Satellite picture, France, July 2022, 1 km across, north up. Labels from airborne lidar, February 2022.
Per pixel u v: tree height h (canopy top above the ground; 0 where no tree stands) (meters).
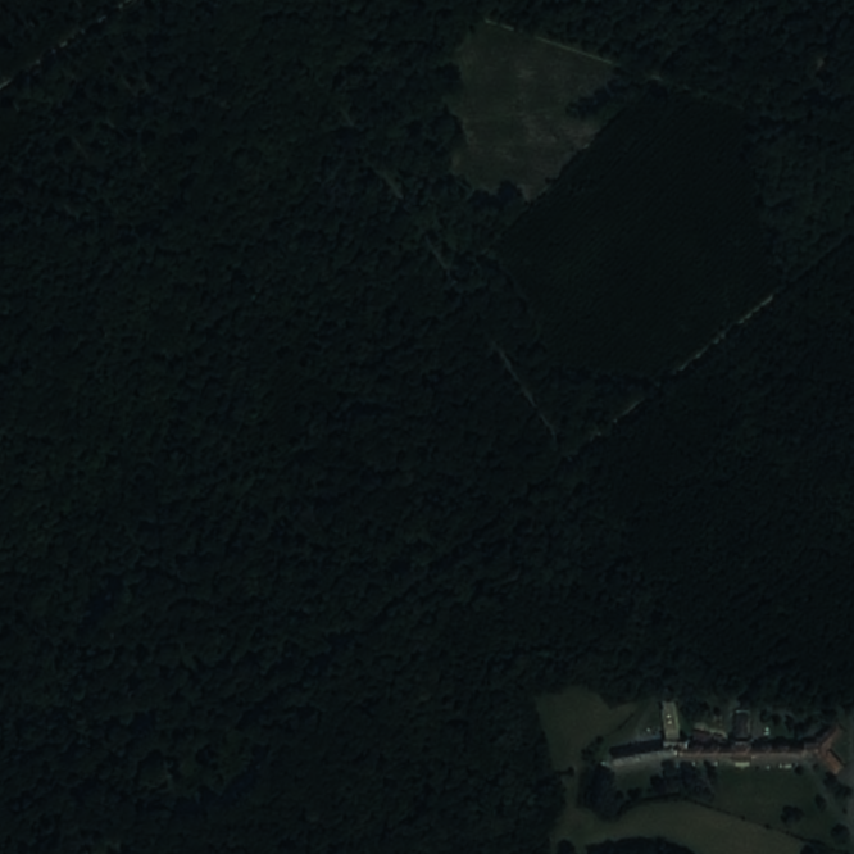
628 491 19
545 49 0
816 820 0
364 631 29
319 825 29
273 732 31
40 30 26
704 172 7
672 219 6
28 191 28
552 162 0
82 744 33
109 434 22
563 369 8
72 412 25
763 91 22
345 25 26
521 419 26
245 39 28
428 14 28
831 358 24
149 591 33
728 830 0
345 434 21
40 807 27
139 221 9
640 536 15
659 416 17
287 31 25
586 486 24
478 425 25
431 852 30
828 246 19
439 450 27
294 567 23
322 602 26
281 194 23
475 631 22
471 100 0
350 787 31
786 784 0
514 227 9
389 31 22
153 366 24
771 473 16
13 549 26
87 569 27
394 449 28
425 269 27
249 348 23
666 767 12
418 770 28
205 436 29
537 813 26
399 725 23
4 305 19
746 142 7
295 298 18
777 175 23
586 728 0
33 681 30
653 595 9
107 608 40
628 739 0
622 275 7
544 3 27
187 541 30
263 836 29
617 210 5
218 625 19
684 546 18
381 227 31
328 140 25
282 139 26
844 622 16
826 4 18
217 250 30
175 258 25
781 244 22
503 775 28
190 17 27
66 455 23
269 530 27
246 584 9
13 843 28
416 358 28
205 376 20
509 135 0
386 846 31
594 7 22
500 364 26
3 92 7
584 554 28
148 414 23
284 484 15
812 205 19
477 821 32
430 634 28
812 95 22
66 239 26
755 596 18
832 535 18
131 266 25
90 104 11
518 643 17
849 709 24
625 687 26
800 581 18
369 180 19
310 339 7
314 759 32
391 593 20
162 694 32
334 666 28
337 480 26
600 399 19
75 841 31
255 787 31
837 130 29
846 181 25
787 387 16
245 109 25
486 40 0
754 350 18
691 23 17
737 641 21
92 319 28
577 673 18
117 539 28
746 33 18
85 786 14
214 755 20
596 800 26
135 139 26
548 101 0
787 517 18
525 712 26
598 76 0
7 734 29
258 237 25
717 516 17
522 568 31
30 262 17
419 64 29
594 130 0
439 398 28
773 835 0
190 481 28
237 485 15
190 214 26
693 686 31
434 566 20
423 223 24
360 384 25
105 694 33
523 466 25
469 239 27
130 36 6
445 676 29
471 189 29
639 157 6
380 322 17
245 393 22
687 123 5
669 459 17
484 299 26
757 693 33
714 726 0
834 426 13
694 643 19
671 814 0
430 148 26
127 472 21
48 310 24
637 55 27
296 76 28
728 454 16
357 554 20
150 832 23
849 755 0
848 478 20
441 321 28
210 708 30
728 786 0
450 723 31
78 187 14
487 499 26
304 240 28
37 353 26
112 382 25
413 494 23
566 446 24
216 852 29
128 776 11
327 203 17
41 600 35
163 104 28
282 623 27
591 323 7
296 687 32
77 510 17
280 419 7
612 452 17
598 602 27
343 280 26
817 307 16
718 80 22
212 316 27
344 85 23
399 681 28
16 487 27
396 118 34
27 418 26
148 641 26
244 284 26
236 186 24
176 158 10
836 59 30
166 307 28
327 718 30
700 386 17
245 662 35
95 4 8
